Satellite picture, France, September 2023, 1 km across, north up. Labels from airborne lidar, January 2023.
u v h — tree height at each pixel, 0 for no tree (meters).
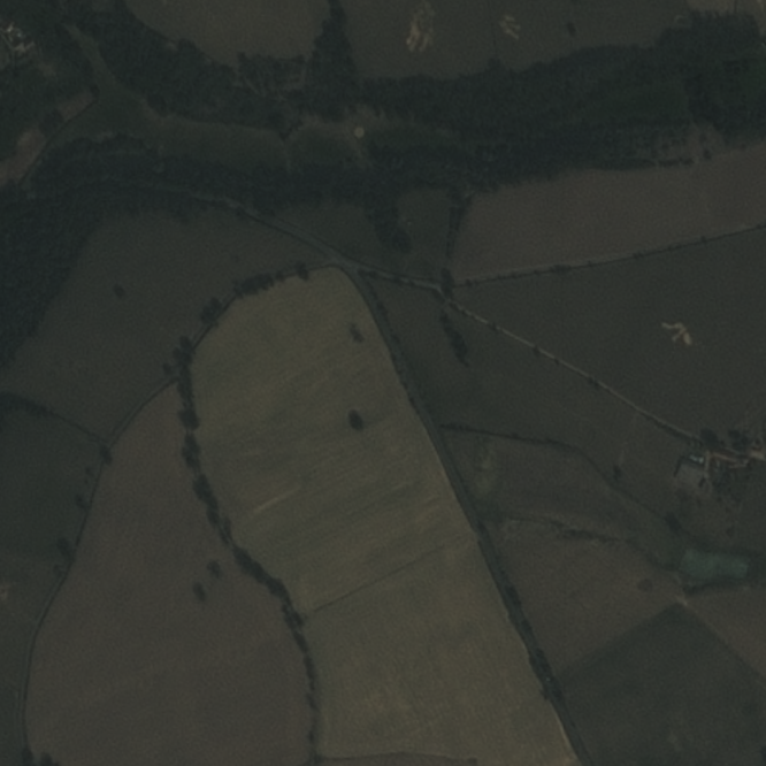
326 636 0
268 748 0
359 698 0
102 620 0
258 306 0
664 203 0
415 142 0
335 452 0
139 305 0
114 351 0
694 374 0
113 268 0
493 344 0
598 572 0
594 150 21
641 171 0
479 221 0
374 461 0
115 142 7
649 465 0
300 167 0
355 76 15
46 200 20
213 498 13
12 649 0
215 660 0
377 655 0
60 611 0
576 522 0
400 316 0
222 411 0
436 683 0
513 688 0
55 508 0
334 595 0
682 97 0
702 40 21
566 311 0
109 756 0
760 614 0
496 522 0
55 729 0
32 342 0
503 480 0
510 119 12
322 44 14
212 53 0
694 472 0
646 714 0
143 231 0
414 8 0
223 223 0
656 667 0
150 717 0
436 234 0
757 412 0
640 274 0
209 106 12
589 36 0
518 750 0
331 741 0
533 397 0
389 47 0
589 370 0
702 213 0
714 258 0
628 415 0
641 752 0
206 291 0
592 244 0
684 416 0
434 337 0
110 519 0
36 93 6
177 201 15
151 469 0
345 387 0
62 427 0
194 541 0
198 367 0
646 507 0
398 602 0
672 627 0
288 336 0
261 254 0
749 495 0
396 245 17
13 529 0
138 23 7
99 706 0
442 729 0
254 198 12
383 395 0
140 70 18
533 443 0
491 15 0
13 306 17
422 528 0
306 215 0
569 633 0
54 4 20
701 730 0
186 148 0
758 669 0
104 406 0
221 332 0
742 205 0
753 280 0
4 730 0
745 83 0
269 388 0
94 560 0
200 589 10
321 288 0
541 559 0
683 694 0
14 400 15
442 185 10
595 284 0
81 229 14
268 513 0
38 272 19
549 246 0
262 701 0
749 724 0
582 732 0
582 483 0
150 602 0
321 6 0
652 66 15
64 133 0
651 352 0
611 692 0
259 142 0
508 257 0
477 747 0
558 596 0
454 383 0
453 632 0
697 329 0
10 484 0
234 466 0
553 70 16
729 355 0
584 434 0
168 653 0
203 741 0
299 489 0
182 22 0
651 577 0
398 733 0
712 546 0
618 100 0
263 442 0
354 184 17
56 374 0
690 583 0
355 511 0
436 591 0
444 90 14
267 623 0
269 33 0
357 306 0
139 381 0
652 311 0
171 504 0
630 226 0
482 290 0
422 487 0
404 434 0
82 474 0
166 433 0
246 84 9
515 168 19
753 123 7
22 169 0
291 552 0
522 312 0
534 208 0
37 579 0
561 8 0
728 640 0
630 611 0
